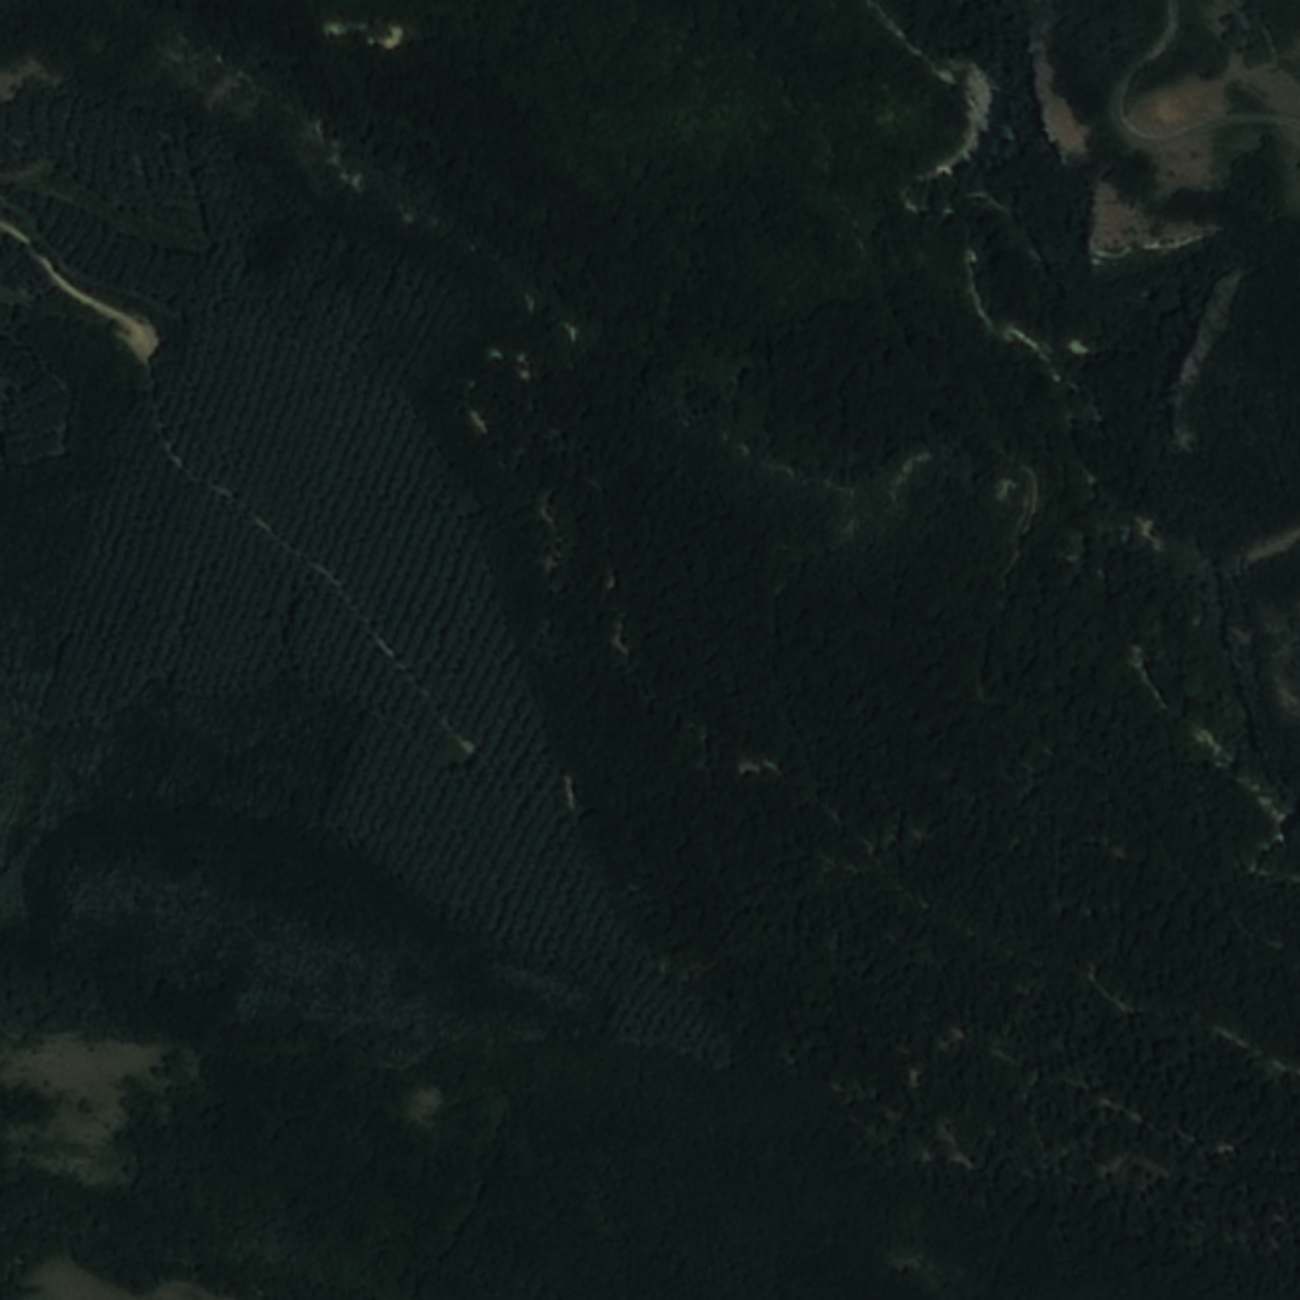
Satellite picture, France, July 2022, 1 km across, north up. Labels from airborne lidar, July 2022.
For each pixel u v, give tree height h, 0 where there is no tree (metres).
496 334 16
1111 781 14
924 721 26
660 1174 15
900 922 17
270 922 14
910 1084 11
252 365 22
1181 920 21
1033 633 25
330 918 8
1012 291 21
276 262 27
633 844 16
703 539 19
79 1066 0
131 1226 16
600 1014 9
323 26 7
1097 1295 13
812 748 18
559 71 16
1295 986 20
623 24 14
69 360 19
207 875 12
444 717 19
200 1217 12
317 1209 17
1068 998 20
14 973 18
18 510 13
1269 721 12
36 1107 14
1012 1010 22
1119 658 23
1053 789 16
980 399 14
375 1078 11
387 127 18
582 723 18
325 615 22
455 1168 14
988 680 23
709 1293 16
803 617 23
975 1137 14
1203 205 11
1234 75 0
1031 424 29
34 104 19
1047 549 22
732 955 15
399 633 18
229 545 22
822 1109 15
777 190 15
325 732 15
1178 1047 22
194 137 20
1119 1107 11
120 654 16
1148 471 17
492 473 16
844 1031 13
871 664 22
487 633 21
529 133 14
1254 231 18
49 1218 15
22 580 13
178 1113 13
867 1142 16
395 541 19
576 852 20
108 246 18
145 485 15
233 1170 18
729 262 18
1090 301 16
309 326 20
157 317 14
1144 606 14
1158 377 10
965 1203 9
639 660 18
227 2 18
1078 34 7
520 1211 12
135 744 14
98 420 16
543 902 24
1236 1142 18
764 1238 16
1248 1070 13
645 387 15
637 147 11
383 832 20
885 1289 12
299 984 14
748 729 12
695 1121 17
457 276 17
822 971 14
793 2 12
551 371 14
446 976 12
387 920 16
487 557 16
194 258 21
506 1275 11
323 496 22
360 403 23
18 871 14
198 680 19
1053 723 17
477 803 19
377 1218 8
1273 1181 17
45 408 23
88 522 19
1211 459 17
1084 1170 9
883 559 12
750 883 17
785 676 17
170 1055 6
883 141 14
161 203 18
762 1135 15
